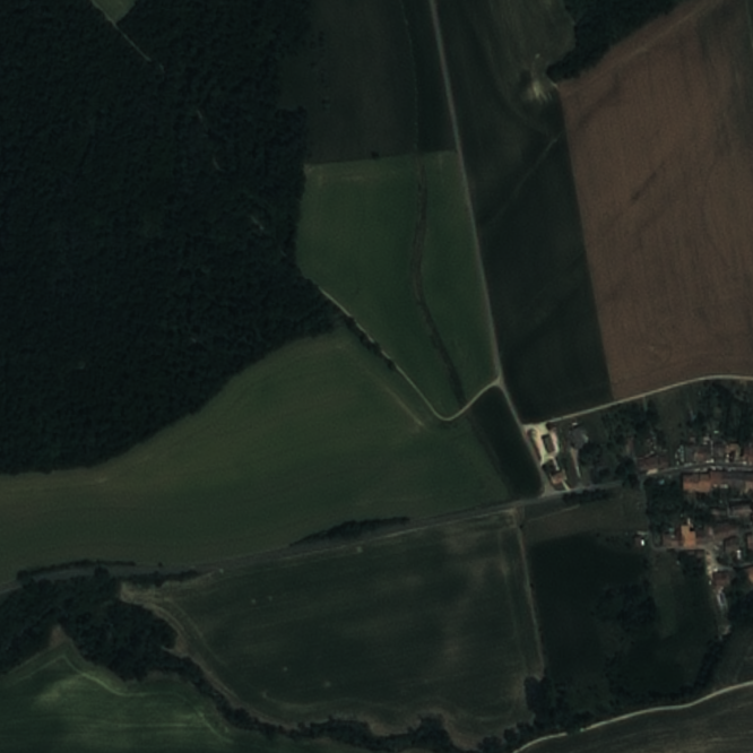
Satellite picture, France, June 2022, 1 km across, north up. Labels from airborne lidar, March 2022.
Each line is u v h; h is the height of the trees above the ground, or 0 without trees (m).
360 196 0
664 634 0
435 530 0
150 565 0
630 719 0
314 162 0
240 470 0
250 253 22
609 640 0
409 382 0
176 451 0
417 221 0
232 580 0
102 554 0
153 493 0
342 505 0
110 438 19
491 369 0
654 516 11
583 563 0
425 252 0
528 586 0
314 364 0
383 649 0
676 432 0
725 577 0
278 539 0
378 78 0
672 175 0
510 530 0
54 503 0
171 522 0
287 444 0
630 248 0
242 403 0
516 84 0
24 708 0
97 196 15
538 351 0
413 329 0
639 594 16
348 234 0
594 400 0
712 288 0
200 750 0
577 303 0
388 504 0
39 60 11
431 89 0
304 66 0
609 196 0
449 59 0
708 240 0
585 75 0
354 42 0
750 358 0
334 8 0
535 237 0
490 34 0
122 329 17
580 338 0
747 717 0
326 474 0
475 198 0
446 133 0
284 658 0
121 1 0
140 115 18
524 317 0
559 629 0
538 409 0
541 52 0
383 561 0
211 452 0
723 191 0
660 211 0
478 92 0
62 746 0
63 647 0
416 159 0
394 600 0
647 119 0
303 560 0
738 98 0
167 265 18
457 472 0
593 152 0
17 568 0
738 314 0
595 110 0
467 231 0
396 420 0
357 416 0
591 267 0
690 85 0
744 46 0
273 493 0
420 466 0
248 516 0
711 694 0
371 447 0
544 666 0
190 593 0
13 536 0
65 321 18
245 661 0
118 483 0
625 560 0
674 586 0
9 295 21
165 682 0
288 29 25
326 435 0
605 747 0
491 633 0
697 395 0
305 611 0
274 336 15
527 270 0
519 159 0
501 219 0
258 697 0
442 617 0
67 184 22
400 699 0
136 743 0
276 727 11
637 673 0
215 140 22
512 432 0
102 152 18
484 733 0
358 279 0
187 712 0
